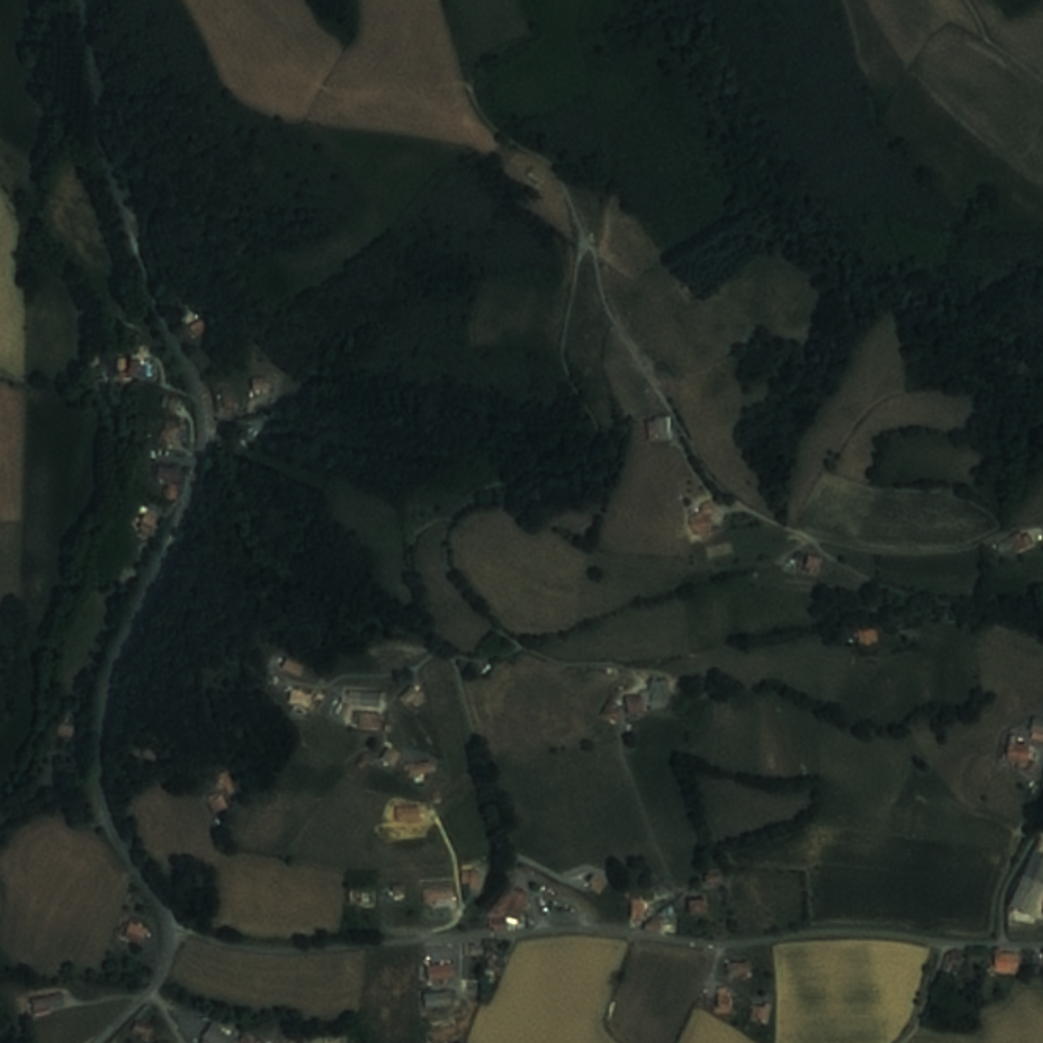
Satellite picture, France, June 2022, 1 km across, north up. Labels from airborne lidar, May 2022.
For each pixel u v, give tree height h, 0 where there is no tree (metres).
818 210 10
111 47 12
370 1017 0
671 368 0
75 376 26
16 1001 0
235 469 17
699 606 0
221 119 10
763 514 0
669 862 0
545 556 0
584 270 0
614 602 0
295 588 13
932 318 15
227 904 0
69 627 16
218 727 19
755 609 0
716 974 0
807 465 0
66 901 0
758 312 0
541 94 0
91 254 0
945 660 0
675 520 0
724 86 16
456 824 0
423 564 0
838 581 0
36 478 0
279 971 0
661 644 0
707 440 0
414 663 0
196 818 0
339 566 21
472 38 0
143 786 20
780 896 0
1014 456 24
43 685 13
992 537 0
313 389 22
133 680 15
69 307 0
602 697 0
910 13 0
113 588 8
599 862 0
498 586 0
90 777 17
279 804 0
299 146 7
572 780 0
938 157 0
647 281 0
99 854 0
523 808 0
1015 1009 0
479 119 0
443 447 20
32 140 0
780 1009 0
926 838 0
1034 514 0
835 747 0
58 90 35
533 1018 0
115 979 11
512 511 17
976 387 18
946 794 0
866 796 0
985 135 0
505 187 14
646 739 0
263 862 0
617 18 7
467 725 0
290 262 0
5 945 0
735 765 0
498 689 0
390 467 22
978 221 22
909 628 7
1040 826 21
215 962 0
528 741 0
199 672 13
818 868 0
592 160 14
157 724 17
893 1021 0
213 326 20
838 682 0
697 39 17
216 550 6
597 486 16
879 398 0
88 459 0
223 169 18
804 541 0
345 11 7
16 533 0
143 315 21
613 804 0
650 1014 0
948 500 0
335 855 0
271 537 21
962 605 9
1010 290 21
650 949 0
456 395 19
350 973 0
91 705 13
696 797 14
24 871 0
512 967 0
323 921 0
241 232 16
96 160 27
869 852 0
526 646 16
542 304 0
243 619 15
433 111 0
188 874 21
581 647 0
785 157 10
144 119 18
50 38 36
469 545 0
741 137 22
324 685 0
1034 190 0
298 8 0
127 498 10
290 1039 11
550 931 0
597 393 0
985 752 0
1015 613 17
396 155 0
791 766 0
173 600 18
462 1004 0
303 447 19
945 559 0
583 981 0
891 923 0
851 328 23
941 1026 7
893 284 32
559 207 0
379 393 24
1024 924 0
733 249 23
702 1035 0
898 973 0
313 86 0
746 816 0
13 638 16
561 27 0
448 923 0
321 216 6
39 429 0
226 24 0
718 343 0
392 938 0
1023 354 26
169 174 17
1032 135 0
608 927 0
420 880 0
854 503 0
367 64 0
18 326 0
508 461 23
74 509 0
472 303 7
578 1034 0
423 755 0
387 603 14
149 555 13
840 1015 0
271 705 9
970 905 0
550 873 0
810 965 0
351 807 0
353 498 0
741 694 14
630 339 0
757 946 0
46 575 0
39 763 7
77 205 0
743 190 13
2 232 0
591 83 0
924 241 0
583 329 0
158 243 18
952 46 0
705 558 0
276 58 0
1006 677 0
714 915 0
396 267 16
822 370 23
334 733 0
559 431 21
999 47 0
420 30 0
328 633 24
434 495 0
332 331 16
